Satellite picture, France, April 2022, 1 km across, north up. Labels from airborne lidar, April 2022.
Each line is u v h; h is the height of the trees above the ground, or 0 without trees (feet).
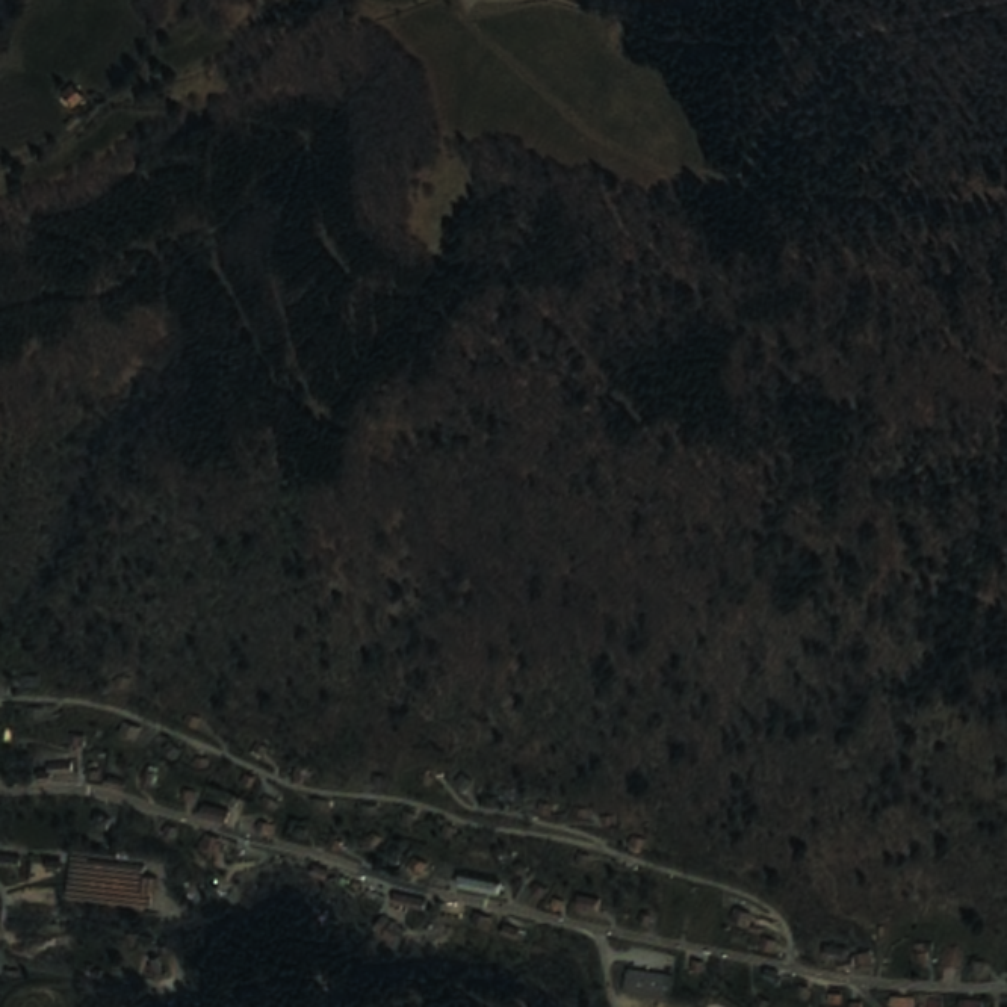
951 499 97
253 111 50
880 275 71
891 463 83
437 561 74
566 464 83
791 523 87
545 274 58
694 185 69
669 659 24
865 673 69
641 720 24
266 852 0
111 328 48
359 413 64
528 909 0
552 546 99
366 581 68
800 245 61
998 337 63
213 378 67
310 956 88
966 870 28
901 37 84
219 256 33
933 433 64
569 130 0
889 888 47
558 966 34
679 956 0
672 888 0
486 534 66
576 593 90
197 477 63
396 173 61
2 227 42
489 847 22
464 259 46
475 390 93
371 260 46
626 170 0
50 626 63
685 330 46
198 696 31
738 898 0
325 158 55
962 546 74
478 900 0
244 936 84
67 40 0
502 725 41
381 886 0
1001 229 68
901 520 42
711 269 64
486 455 72
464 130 0
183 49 0
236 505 50
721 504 89
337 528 52
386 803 0
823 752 20
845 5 87
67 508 32
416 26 0
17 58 0
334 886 59
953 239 74
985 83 76
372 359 69
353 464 70
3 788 0
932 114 28
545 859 34
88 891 0
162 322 30
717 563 82
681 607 84
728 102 95
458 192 0
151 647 54
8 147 0
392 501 56
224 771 43
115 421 47
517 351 89
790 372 54
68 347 54
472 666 58
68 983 0
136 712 56
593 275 86
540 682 44
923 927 0
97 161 39
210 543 36
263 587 47
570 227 70
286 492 47
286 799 0
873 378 55
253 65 59
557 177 51
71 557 69
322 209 45
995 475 107
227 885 0
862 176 34
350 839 32
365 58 64
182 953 66
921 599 78
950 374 47
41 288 45
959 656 94
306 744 19
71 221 66
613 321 86
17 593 59
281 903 94
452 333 87
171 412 53
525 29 0
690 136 0
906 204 92
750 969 0
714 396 63
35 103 0
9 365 73
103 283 37
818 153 48
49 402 77
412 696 35
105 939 69
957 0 82
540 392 94
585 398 91
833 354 75
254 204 46
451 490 84
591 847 0
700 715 32
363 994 73
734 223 74
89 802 31
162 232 38
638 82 0
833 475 100
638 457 81
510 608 90
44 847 0
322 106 61
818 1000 0
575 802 23
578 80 0
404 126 55
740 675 65
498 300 80
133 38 0
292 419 54
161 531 26
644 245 64
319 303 55
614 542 69
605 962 0
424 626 37
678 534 66
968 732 0
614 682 45
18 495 22
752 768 22
